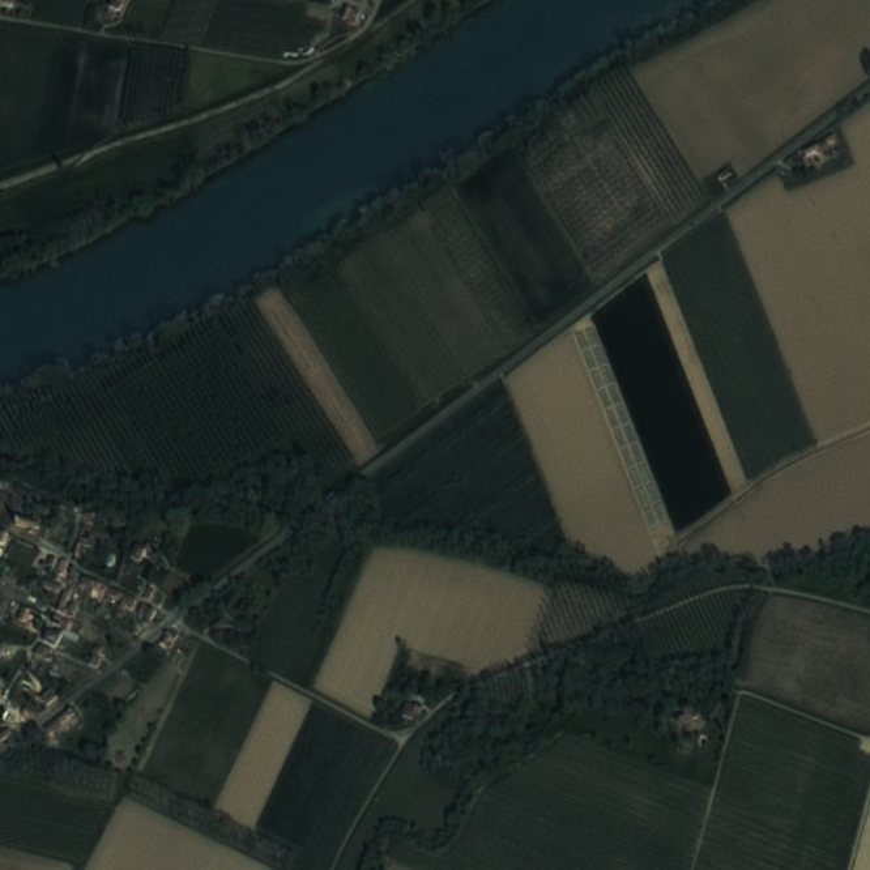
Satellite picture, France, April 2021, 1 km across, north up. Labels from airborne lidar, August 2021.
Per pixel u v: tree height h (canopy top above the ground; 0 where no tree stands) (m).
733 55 0
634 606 17
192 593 21
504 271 23
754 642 0
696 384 0
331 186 0
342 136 0
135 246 0
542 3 0
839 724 0
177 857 0
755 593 19
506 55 0
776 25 0
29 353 0
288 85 0
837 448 0
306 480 27
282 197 0
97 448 27
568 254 0
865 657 0
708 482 0
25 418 26
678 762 0
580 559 15
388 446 0
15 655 0
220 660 0
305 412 21
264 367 22
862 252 0
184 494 7
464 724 23
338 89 9
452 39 0
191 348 22
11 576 0
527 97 0
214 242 0
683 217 21
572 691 20
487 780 16
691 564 13
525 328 21
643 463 0
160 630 0
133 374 23
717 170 0
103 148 0
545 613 19
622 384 0
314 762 0
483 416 6
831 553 16
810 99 0
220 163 7
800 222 0
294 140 0
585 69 10
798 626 0
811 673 0
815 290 0
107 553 10
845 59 0
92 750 18
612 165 23
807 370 0
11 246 17
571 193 24
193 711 0
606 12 0
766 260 0
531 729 14
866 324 0
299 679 0
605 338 0
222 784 0
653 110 23
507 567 18
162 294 0
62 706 0
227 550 0
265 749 0
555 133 25
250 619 12
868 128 0
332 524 27
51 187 0
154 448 24
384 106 0
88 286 0
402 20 0
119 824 0
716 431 0
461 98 0
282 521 23
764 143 0
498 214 0
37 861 0
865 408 0
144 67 14
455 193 21
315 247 21
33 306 0
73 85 0
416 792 0
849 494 0
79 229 23
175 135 0
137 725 0
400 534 24
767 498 0
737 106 0
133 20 0
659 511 0
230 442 23
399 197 34
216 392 24
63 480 10
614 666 13
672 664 21
